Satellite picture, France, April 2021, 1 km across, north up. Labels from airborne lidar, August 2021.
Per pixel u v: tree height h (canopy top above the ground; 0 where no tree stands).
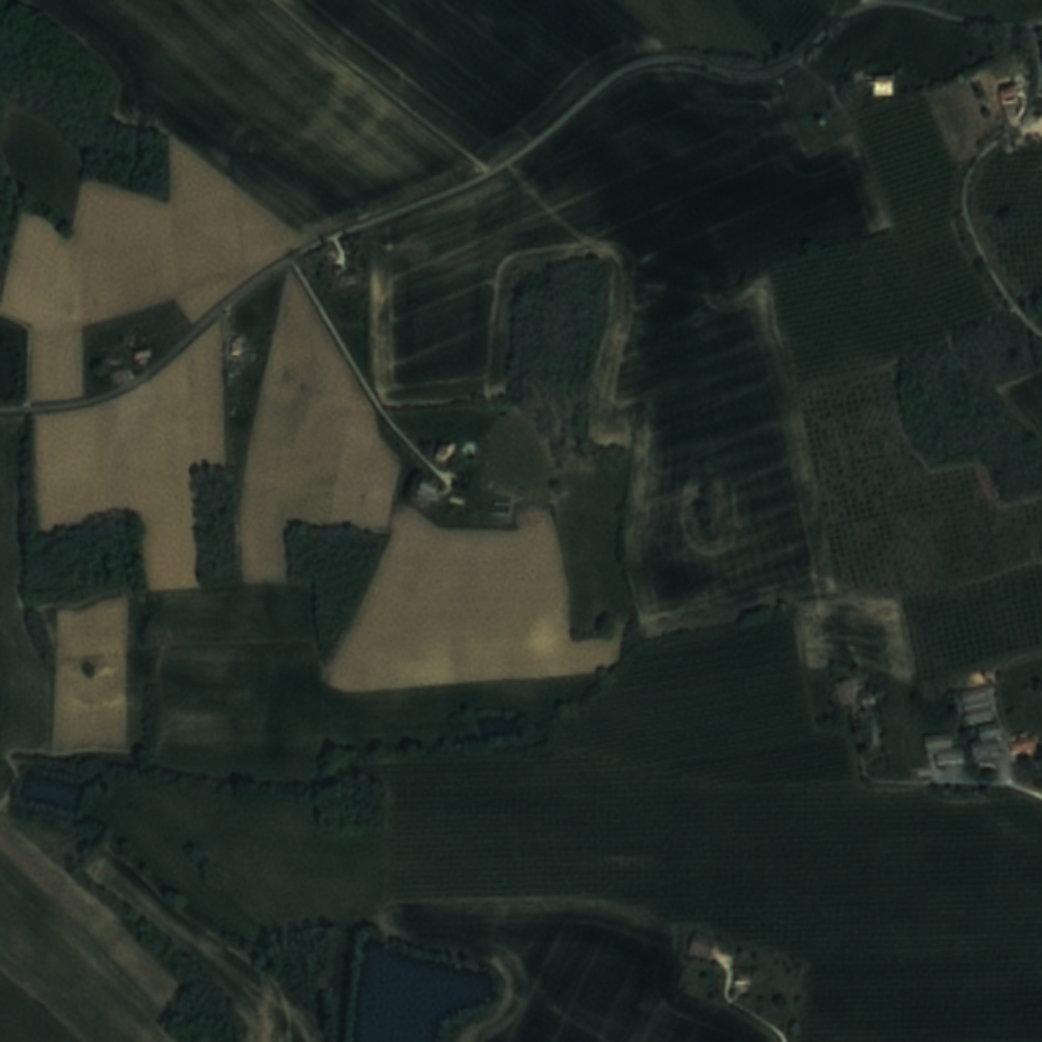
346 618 10
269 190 0
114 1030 0
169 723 0
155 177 13
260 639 0
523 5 0
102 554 14
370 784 16
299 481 0
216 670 0
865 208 0
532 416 17
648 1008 0
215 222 0
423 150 0
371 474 0
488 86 0
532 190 0
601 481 0
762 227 0
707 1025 0
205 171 0
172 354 0
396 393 0
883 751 7
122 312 0
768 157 0
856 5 0
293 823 0
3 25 21
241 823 0
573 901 0
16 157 0
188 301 0
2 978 0
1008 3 0
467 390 0
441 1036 19
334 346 0
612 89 0
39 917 0
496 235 0
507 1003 0
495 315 0
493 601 0
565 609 0
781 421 0
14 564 0
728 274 0
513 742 10
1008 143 9
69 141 6
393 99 0
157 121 0
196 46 0
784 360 0
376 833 12
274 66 0
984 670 0
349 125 0
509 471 0
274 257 0
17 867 0
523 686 0
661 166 0
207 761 0
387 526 0
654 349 0
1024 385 0
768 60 12
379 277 0
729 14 0
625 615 0
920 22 0
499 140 0
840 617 0
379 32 0
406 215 0
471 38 0
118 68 0
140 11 0
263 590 0
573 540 0
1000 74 0
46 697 0
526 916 0
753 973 11
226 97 0
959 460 17
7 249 8
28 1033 0
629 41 0
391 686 0
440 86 0
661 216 0
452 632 0
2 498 0
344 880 0
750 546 0
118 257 0
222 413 0
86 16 0
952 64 0
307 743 0
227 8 0
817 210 0
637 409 0
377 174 0
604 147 0
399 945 15
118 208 0
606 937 0
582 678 0
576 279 16
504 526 0
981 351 16
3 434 0
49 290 0
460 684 0
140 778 13
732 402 0
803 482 0
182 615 0
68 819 8
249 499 0
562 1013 0
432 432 0
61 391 0
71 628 0
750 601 0
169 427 0
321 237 0
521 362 14
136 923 7
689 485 0
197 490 13
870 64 8
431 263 0
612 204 0
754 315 0
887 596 0
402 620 0
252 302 0
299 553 15
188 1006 15
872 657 0
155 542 0
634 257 0
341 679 0
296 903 0
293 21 0
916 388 15
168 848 0
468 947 0
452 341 0
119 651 0
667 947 0
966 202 0
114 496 0
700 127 0
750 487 0
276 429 0
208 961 0
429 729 0
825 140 0
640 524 0
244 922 0
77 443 0
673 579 0
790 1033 10
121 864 0
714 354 0
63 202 0
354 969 17
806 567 0
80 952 0
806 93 0
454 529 0
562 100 0
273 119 0
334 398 0
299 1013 0
